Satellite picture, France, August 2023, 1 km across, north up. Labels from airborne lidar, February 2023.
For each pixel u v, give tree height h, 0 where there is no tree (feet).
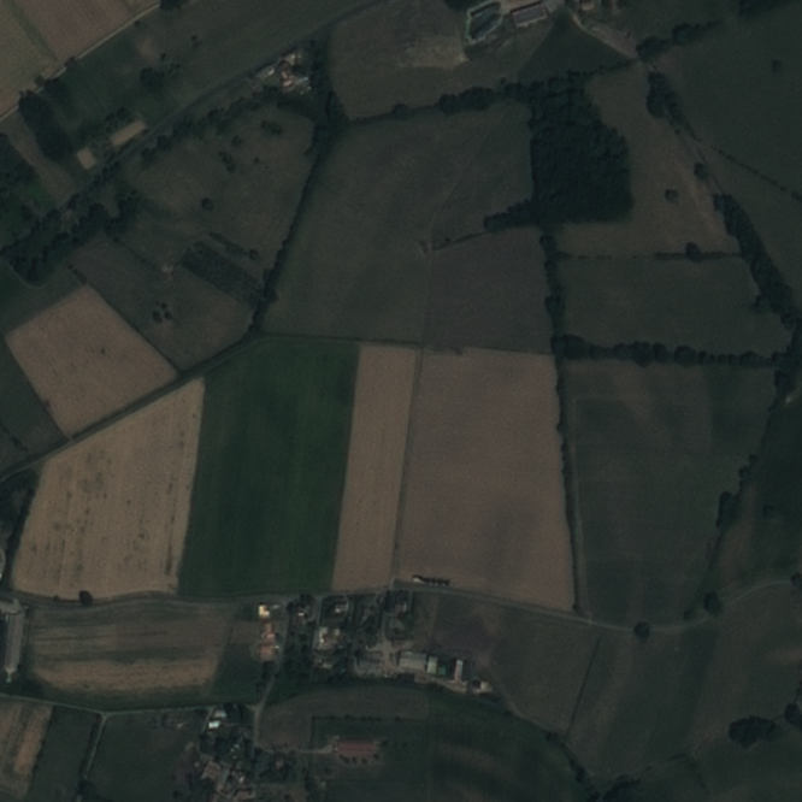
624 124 0
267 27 0
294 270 0
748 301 0
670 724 0
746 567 0
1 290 0
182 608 0
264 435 0
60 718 0
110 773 0
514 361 0
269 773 30
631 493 0
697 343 0
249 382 0
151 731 0
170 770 0
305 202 18
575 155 89
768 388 0
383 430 0
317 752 0
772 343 0
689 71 0
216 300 0
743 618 0
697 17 0
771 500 0
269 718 0
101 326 0
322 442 0
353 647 27
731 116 0
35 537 0
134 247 0
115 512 0
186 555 0
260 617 0
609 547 0
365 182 0
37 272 37
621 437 0
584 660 0
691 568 0
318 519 0
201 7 0
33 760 0
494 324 0
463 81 0
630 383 0
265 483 0
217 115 48
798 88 0
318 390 0
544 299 0
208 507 0
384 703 0
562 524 0
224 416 0
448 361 0
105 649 0
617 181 78
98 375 0
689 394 0
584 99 63
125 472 0
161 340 0
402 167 0
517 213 57
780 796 0
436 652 0
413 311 0
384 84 0
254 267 0
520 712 0
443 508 0
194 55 0
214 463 0
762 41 0
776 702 0
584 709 0
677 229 0
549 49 0
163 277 0
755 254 82
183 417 0
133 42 0
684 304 0
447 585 0
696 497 0
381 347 0
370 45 0
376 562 0
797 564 0
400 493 0
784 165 0
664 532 0
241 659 0
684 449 0
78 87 0
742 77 0
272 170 0
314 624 24
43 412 0
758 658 0
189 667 0
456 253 0
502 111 0
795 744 0
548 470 0
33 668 0
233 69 0
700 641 0
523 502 0
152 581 0
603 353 19
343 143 0
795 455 0
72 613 0
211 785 36
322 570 0
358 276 0
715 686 0
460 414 0
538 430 0
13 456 0
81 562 0
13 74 0
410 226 0
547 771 0
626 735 0
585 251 0
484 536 0
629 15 0
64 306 0
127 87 0
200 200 0
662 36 0
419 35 0
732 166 0
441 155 0
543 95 72
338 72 0
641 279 0
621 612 0
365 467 0
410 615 19
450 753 0
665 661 0
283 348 0
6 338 0
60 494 0
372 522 0
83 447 0
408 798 0
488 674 0
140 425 0
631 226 0
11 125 0
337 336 0
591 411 0
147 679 0
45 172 0
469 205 0
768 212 0
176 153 0
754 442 0
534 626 0
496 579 0
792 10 0
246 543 0
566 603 0
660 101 72
